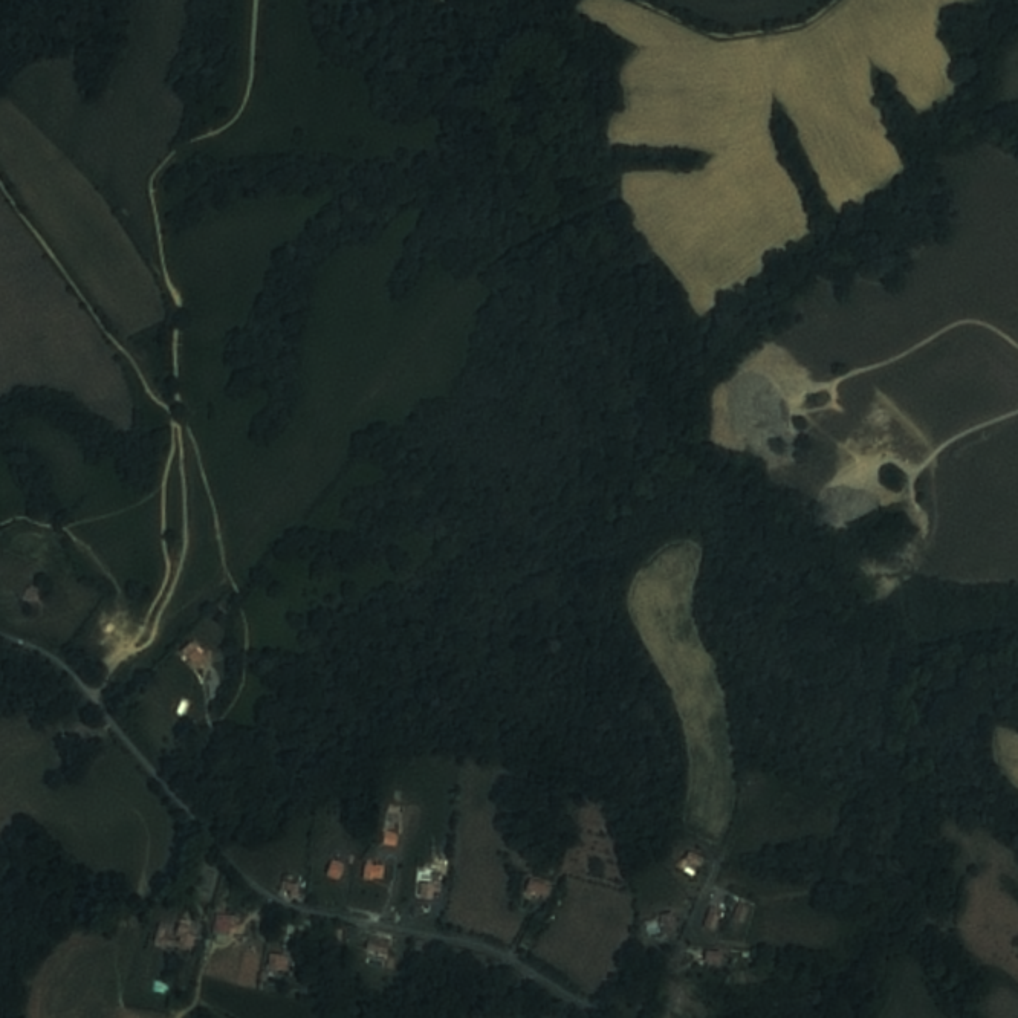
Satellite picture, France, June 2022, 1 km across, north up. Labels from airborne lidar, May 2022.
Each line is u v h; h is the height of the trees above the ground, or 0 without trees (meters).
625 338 19
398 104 8
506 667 22
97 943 0
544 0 16
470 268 6
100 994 0
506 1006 17
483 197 15
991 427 0
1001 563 0
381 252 0
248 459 0
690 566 0
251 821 23
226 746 18
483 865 0
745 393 0
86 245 0
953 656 21
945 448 0
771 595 25
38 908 20
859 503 0
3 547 0
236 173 14
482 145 27
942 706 23
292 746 16
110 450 7
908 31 0
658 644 0
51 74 0
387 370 0
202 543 0
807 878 12
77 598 0
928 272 0
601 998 16
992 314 0
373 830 16
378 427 11
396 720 18
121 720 8
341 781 23
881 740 16
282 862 0
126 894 16
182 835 19
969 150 10
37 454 9
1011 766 0
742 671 7
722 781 0
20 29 20
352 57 10
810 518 8
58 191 0
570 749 16
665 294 24
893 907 6
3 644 18
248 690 0
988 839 0
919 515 0
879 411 0
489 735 20
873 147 0
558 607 10
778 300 20
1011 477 0
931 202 17
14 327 0
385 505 11
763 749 12
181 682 0
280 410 10
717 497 7
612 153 10
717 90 0
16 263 0
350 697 21
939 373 0
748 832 0
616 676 11
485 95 33
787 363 0
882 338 0
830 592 26
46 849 18
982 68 20
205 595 0
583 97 22
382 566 9
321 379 0
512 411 7
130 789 0
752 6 0
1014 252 0
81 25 14
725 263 0
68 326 0
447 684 12
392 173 19
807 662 20
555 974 19
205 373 0
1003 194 0
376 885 0
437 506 10
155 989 0
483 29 17
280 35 0
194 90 16
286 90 0
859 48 0
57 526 13
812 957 9
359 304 0
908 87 0
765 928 0
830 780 9
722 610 14
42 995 0
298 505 0
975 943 0
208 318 0
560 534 17
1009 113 17
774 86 0
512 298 19
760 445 0
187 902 21
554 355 7
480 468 11
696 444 22
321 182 13
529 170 24
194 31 13
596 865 12
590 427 8
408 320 0
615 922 0
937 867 9
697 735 0
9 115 0
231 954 0
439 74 15
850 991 27
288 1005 0
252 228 0
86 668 23
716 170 0
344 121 0
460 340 0
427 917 0
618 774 12
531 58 28
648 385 11
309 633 9
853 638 23
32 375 0
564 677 8
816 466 0
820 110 0
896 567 0
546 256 28
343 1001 29
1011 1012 0
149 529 0
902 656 14
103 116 0
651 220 0
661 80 0
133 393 0
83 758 21
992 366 0
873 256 20
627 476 18
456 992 23
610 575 13
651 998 6
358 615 16
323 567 14
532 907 6
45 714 21
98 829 0
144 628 0
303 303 11
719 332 18
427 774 0
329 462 0
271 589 11
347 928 8
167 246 0
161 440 7
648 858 14
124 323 0
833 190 0
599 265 17
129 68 0
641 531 8
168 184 11
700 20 8
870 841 14
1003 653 25
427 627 7
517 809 24
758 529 22
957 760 14
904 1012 0
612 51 14
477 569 11
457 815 7
